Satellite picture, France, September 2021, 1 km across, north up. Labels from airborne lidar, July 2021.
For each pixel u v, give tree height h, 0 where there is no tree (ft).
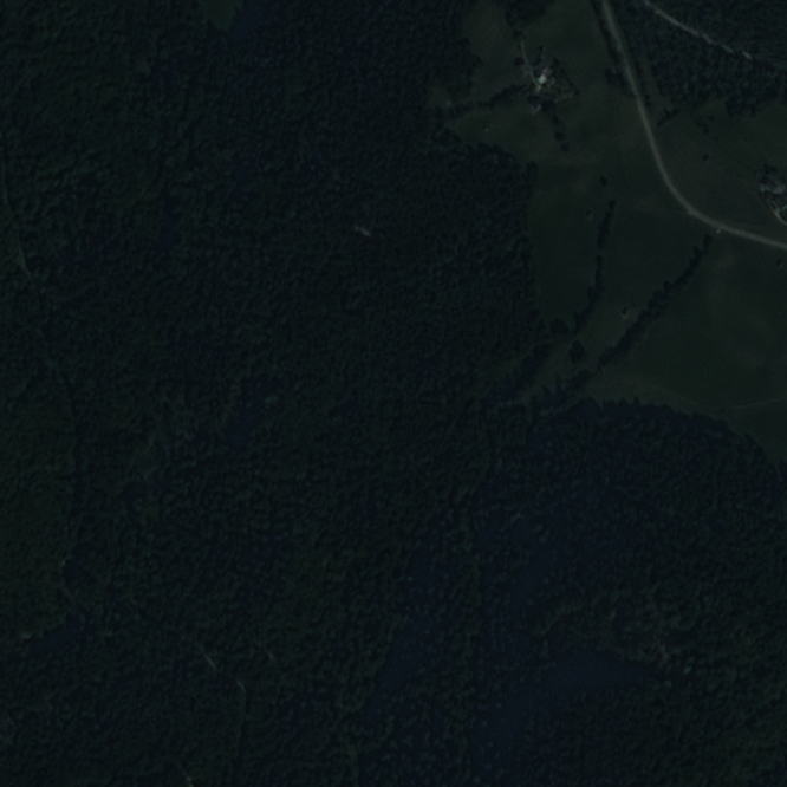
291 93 88
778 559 124
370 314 81
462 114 48
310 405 94
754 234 0
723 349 0
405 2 89
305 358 84
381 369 104
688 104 54
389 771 36
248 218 100
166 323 125
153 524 102
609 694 94
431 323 76
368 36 78
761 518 104
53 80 95
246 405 35
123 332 128
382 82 97
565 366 0
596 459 105
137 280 116
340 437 84
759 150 0
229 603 51
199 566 92
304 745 123
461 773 77
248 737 83
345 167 87
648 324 50
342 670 92
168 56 50
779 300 0
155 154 96
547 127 0
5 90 89
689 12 68
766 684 138
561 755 90
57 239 95
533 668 91
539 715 99
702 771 101
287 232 80
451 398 86
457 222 73
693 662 101
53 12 117
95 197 87
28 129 108
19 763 70
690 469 112
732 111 55
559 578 113
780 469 0
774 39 56
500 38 0
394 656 31
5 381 97
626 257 0
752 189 0
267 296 83
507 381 0
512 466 99
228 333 77
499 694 78
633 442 105
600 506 76
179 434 80
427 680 112
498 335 68
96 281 112
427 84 96
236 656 63
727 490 94
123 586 94
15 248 89
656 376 0
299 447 82
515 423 83
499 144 0
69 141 56
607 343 0
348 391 93
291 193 65
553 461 92
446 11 59
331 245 69
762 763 91
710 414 0
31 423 84
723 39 62
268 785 94
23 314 84
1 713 110
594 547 103
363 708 60
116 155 120
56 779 99
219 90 106
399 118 91
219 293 78
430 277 71
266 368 71
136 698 89
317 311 93
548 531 103
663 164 0
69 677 117
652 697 108
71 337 101
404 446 90
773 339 0
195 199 101
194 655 56
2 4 76
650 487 116
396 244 74
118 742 83
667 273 0
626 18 83
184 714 92
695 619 116
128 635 95
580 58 0
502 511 94
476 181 74
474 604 81
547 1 60
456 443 83
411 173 66
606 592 96
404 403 93
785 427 0
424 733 112
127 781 65
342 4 88
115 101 84
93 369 100
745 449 52
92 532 103
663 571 117
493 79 0
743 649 113
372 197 56
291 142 62
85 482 89
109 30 100
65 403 77
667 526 124
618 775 99
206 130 108
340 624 67
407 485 75
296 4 94
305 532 88
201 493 48
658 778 111
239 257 93
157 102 89
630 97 70
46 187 101
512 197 67
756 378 0
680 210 0
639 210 0
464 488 77
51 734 96
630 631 95
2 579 85
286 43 82
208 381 78
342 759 60
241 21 0
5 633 102
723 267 0
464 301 65
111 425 91
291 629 60
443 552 91
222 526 73
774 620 104
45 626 77
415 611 99
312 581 78
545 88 25
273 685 94
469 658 88
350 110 84
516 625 97
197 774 68
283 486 84
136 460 86
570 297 0
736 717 95
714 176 0
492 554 84
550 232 0
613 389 0
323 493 58
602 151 0
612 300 0
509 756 102
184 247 101
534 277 56
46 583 99
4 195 48
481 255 50
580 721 107
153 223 49
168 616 83
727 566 106
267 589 72
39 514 101
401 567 83
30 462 56
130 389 81
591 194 0
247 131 93
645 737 107
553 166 0
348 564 91
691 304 0
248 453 99
